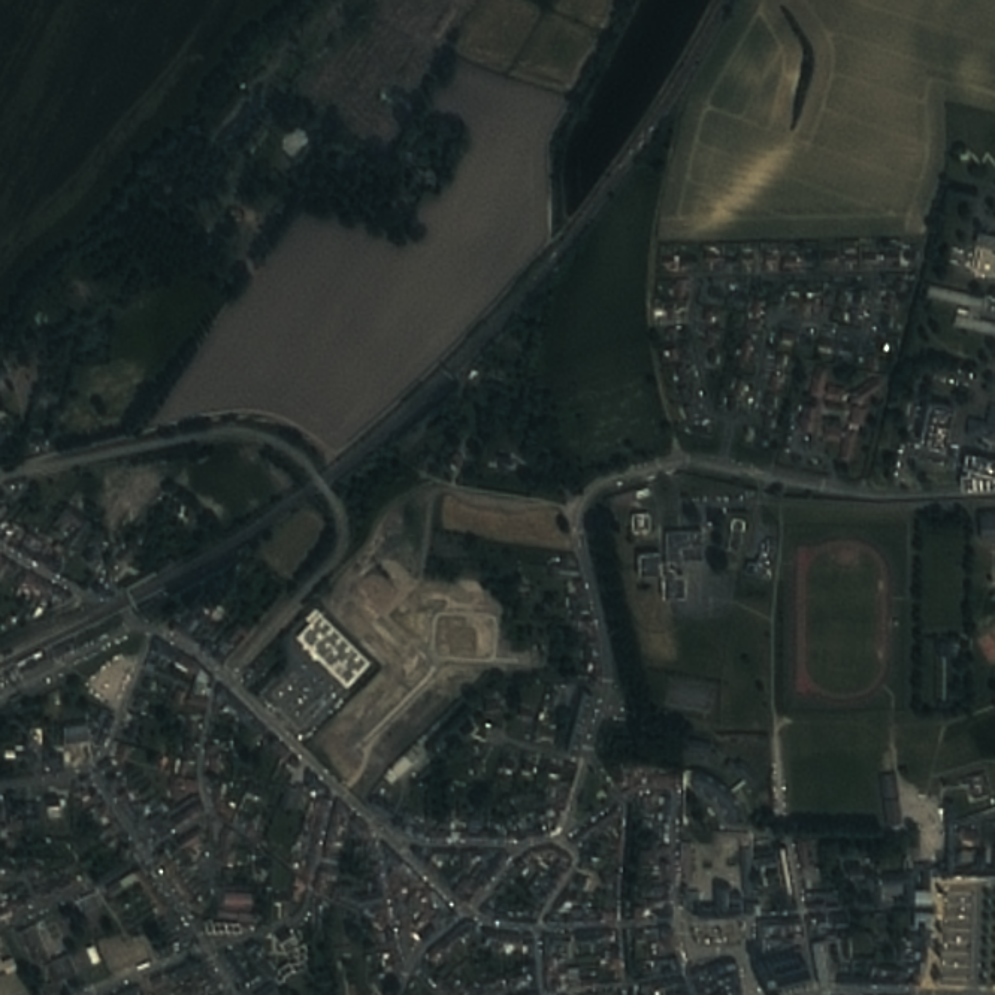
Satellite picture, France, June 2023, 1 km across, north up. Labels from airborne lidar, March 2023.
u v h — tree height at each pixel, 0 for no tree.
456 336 0
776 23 0
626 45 0
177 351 0
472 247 0
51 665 0
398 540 0
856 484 0
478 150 0
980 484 0
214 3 0
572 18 0
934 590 0
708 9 0
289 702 0
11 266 0
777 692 0
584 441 0
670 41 0
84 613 0
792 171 0
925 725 0
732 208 0
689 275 0
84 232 7
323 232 0
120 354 0
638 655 23
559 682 0
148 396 22
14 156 0
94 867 6
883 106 0
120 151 0
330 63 31
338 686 0
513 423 20
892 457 13
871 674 0
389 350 0
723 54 0
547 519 0
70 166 0
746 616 0
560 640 9
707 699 0
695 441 0
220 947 0
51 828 0
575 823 0
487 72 0
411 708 7
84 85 0
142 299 0
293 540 0
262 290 0
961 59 0
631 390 0
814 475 0
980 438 5
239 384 0
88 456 0
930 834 0
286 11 11
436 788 9
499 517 0
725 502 0
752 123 0
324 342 0
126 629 0
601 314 0
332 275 0
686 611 0
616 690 0
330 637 0
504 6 0
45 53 0
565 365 0
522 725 0
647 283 0
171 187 30
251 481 0
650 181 0
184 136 14
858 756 0
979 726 0
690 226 0
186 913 0
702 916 0
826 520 0
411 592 0
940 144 0
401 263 0
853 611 0
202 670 0
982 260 0
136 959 0
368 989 0
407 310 0
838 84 0
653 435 0
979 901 0
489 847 0
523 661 0
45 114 0
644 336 0
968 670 7
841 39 0
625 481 0
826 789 0
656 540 0
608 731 0
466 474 15
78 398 7
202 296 0
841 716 0
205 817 0
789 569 0
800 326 0
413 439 0
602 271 0
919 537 7
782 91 0
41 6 0
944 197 10
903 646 0
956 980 0
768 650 0
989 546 0
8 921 0
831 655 0
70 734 0
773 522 0
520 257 0
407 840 0
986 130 0
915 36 0
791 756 0
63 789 0
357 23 30
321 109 31
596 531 24
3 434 0
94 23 0
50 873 0
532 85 0
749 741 0
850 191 0
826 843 17
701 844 0
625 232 0
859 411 0
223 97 20
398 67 33
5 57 0
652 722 20
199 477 0
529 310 7
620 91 0
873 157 0
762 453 0
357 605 0
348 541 0
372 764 7
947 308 0
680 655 0
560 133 7
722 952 0
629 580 0
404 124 30
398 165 25
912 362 13
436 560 7
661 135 7
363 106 32
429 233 0
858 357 0
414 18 30
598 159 0
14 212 0
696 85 0
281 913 0
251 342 0
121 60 0
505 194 0
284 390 0
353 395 0
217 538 8
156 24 0
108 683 0
